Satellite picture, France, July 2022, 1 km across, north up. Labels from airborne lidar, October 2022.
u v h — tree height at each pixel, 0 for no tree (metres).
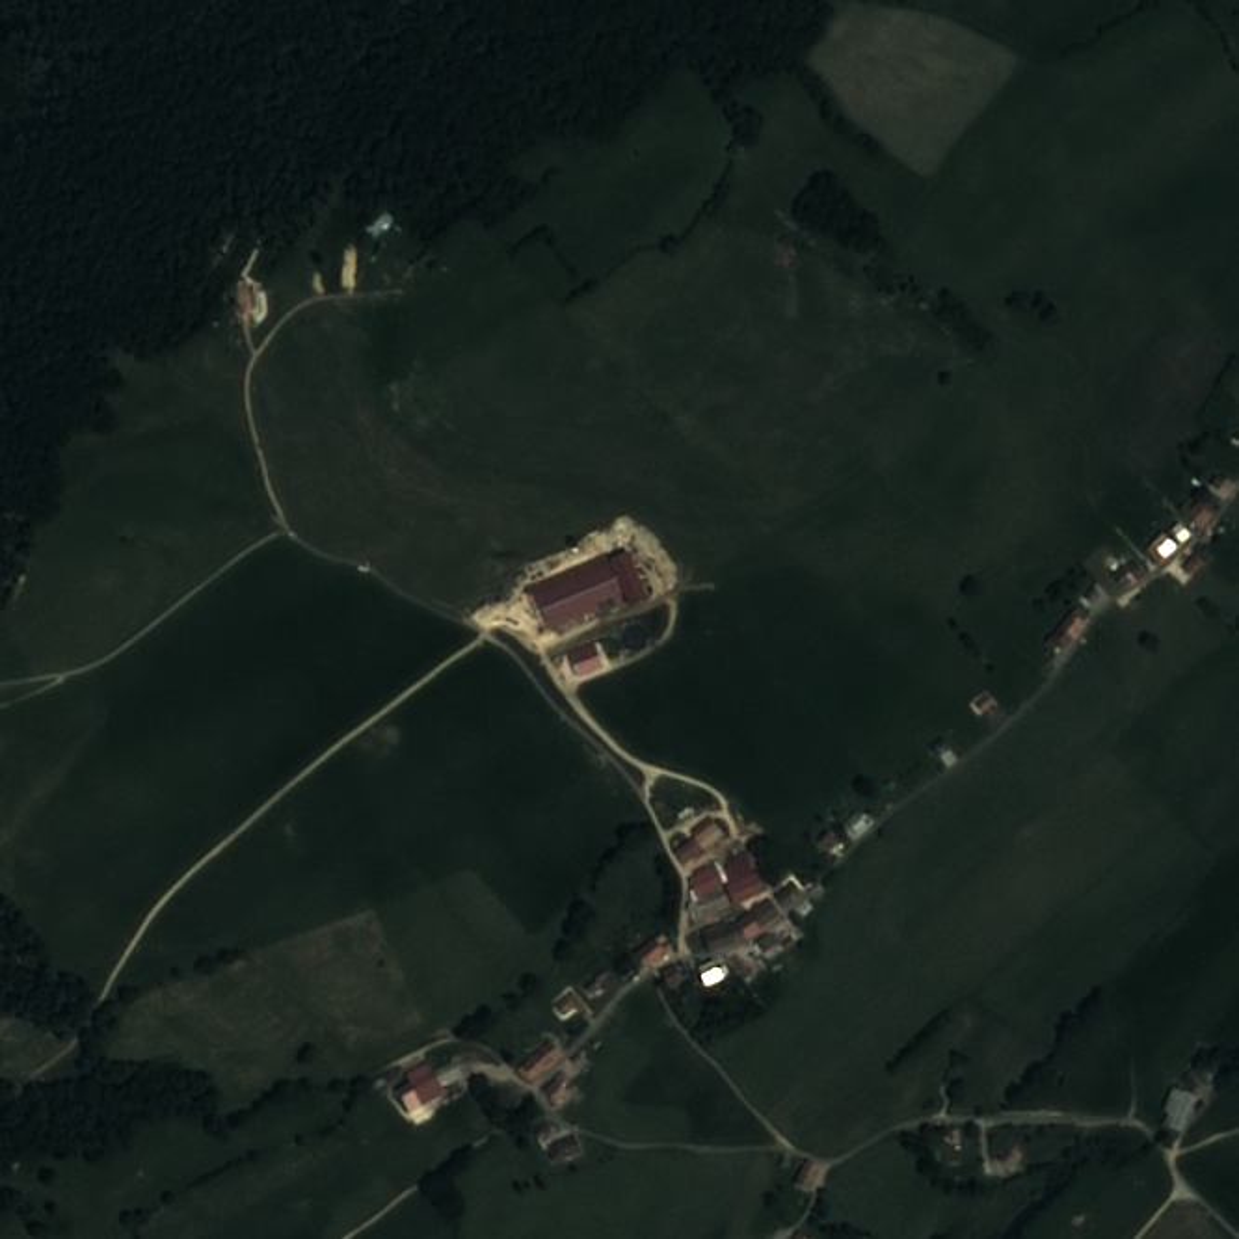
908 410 0
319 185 24
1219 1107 0
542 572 0
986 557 0
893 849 0
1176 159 0
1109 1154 10
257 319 0
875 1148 0
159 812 0
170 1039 0
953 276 0
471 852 0
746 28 20
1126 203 0
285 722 0
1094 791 0
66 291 21
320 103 17
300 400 0
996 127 0
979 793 0
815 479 0
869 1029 0
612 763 0
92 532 0
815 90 9
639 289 0
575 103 16
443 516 0
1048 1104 0
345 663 0
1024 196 0
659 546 0
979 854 0
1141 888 0
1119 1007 0
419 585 0
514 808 0
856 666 0
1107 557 0
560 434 0
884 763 0
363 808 0
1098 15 0
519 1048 0
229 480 0
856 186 0
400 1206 0
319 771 0
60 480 20
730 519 0
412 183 28
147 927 0
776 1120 0
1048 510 0
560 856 0
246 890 0
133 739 0
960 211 0
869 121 0
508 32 22
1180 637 0
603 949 0
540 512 0
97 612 0
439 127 28
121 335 17
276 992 0
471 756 0
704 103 0
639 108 9
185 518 0
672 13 21
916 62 0
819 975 0
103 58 20
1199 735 0
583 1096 0
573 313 0
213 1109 16
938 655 0
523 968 0
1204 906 0
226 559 0
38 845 0
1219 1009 0
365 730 0
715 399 0
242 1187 0
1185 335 0
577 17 21
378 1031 0
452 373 0
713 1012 8
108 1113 28
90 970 0
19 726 0
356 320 0
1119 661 0
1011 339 0
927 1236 0
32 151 25
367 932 0
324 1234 0
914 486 0
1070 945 0
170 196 20
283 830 0
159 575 0
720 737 0
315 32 24
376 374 0
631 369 0
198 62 33
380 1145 0
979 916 0
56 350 27
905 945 0
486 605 0
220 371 0
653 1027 0
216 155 21
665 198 0
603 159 0
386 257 0
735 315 0
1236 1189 0
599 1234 0
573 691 0
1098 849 0
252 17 20
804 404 0
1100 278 0
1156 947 0
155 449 0
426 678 0
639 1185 0
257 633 0
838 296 0
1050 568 0
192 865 0
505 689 0
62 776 0
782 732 0
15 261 20
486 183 9
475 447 0
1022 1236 11
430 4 24
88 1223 0
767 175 0
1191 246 0
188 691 0
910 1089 0
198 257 18
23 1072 0
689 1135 0
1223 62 0
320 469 0
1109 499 0
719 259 0
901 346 0
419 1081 0
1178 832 0
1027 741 0
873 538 0
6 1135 25
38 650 0
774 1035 0
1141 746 0
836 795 0
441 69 22
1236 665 0
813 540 0
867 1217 0
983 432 0
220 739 0
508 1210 0
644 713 0
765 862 13
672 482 0
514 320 0
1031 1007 0
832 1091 0
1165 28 0
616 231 0
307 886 0
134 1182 0
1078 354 0
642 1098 0
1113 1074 0
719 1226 0
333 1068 0
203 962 13
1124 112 0
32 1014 23
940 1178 10
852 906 0
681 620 0
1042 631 0
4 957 17
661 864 11
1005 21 0
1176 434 0
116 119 27
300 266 0
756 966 0
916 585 0
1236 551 0
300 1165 0
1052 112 0
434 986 0
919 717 0
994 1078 0
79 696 0
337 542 0
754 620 0
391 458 0
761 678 0
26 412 15
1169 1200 0
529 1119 18
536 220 0
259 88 21
